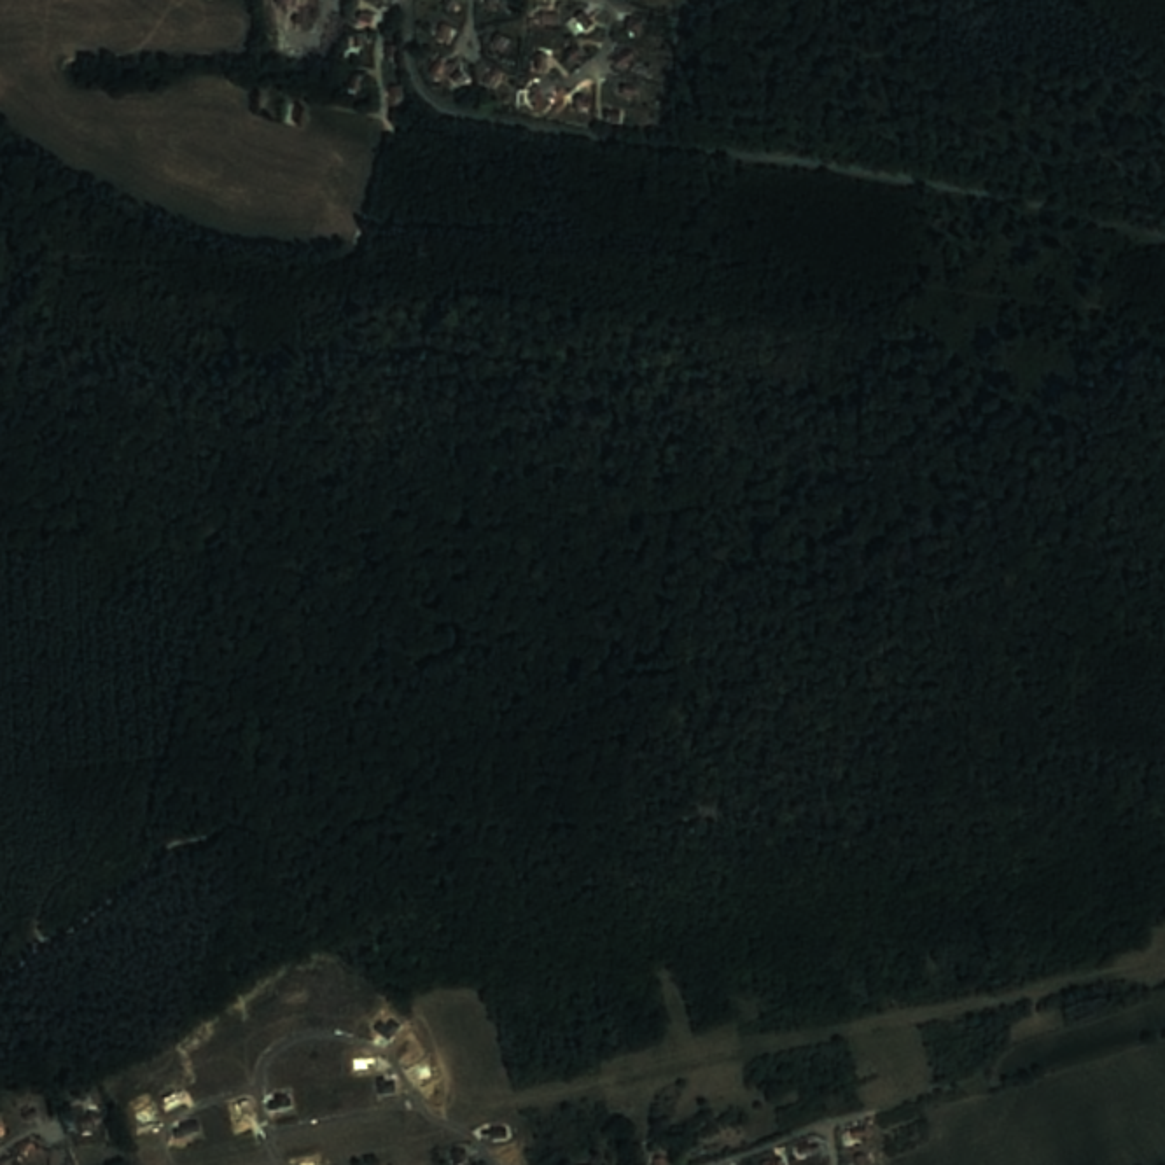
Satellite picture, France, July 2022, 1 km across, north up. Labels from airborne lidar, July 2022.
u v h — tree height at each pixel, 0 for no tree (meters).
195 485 20
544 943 18
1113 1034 0
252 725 25
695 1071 0
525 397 26
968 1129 0
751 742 14
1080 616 24
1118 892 24
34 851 12
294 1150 0
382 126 0
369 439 19
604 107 0
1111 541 16
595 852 17
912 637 19
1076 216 22
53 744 17
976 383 23
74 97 0
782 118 17
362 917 24
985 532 20
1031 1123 0
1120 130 25
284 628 22
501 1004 15
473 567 24
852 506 26
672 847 14
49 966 25
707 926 18
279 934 21
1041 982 6
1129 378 26
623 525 19
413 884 20
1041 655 23
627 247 26
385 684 23
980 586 18
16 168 29
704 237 22
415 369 23
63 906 7
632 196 18
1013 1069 0
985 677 17
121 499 15
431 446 22
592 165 17
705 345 10
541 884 17
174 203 0
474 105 7
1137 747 14
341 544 22
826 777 18
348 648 22
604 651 21
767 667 17
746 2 21
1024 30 20
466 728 22
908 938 17
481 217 19
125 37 0
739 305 20
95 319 6
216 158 0
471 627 24
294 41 0
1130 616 23
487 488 27
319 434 20
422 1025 0
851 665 15
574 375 26
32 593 20
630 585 24
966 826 15
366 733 28
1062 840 19
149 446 18
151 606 23
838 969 15
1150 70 26
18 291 9
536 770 23
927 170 22
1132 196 24
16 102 0
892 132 19
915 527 26
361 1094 0
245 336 7
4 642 20
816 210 12
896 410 24
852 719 16
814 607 17
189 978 20
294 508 23
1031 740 22
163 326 6
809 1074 10
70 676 17
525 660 23
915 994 16
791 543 22
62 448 21
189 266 6
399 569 24
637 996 14
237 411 24
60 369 21
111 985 25
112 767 10
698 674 20
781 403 22
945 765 23
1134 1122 0
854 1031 0
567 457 21
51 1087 20
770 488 25
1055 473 19
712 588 19
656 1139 11
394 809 20
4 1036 21
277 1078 0
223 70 11
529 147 22
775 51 25
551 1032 17
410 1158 0
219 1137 0
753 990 9
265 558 22
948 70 20
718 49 22
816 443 20
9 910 11
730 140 21
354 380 19
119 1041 26
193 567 16
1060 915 22
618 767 20
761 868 16
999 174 23
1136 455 17
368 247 20
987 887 20
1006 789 21
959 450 22
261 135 0
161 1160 0
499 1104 0
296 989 0
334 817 22
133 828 8
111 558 12
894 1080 0
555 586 24
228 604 20
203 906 24
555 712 23
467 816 22
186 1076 0
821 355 12
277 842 19
